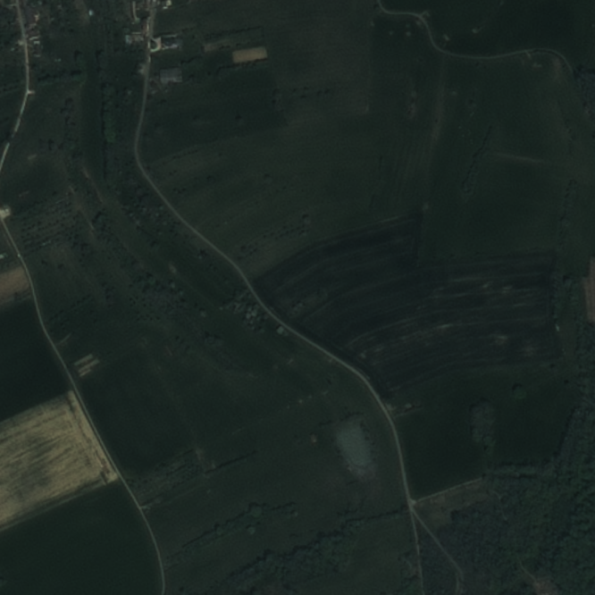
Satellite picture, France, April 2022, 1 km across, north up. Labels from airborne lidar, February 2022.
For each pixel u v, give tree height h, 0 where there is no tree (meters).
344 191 0
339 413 0
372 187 0
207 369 0
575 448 20
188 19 0
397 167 0
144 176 0
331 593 0
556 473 24
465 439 0
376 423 0
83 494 0
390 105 0
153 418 0
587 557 25
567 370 0
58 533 0
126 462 0
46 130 0
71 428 0
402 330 0
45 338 0
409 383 0
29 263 0
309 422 0
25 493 0
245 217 0
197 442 0
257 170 0
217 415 0
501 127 0
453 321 0
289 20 0
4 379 0
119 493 0
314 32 0
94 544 0
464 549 24
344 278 0
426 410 0
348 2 0
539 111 0
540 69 0
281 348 0
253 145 0
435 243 0
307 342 0
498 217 0
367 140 0
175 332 0
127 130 0
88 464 0
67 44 0
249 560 0
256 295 0
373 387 0
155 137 0
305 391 0
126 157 0
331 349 0
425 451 0
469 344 0
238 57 0
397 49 0
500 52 0
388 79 0
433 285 0
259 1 0
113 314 0
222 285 0
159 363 0
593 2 0
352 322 0
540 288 0
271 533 0
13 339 0
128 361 0
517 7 0
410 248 0
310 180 0
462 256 0
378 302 0
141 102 0
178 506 0
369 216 0
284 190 0
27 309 0
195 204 0
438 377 0
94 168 0
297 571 20
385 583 0
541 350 0
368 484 0
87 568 0
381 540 0
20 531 0
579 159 0
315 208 0
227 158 0
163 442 0
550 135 0
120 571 0
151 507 0
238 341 0
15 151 0
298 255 0
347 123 0
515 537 29
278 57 0
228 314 0
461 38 0
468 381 0
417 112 0
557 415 0
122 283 0
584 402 14
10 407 0
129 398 0
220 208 0
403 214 0
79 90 0
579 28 0
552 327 0
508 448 0
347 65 0
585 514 18
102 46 0
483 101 0
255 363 0
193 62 8
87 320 0
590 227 0
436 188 0
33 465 0
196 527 0
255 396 0
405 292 0
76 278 0
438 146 0
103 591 0
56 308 0
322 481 0
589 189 0
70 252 0
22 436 0
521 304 0
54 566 0
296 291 0
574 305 7
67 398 0
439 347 0
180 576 0
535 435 0
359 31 0
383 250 0
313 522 0
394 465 0
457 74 0
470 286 0
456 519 20
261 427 0
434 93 0
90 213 0
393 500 0
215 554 0
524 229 0
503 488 22
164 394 0
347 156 0
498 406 0
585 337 9
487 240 0
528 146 0
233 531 6
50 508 0
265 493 0
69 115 11
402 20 0
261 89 0
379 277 0
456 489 0
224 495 0
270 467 0
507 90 0
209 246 0
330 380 0
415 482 0
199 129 0
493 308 0
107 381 0
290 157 0
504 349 0
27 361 0
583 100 7
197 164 0
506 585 24
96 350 0
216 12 0
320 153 0
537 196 0
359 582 0
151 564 0
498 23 0
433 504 0
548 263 0
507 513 22
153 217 6
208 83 0
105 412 0
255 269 0
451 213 0
